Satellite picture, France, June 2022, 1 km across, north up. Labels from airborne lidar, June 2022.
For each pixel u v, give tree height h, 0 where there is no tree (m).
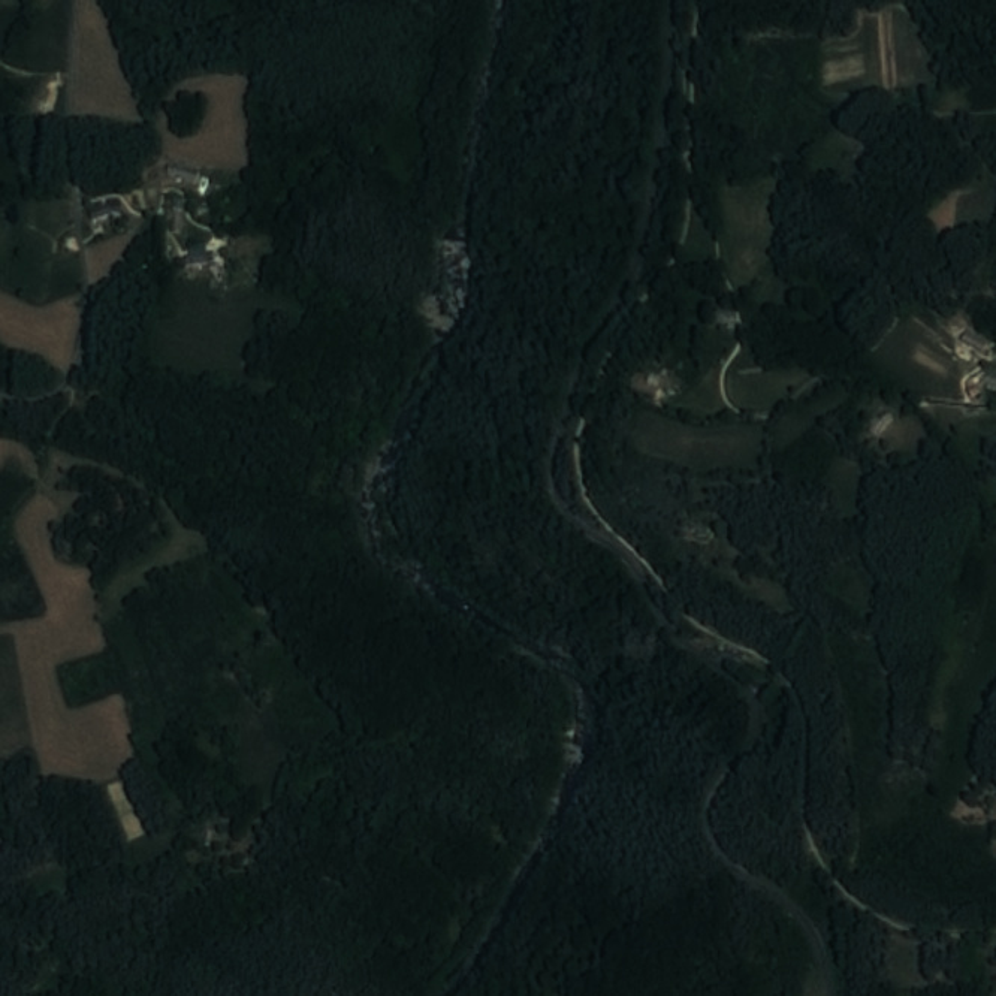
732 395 0
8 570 8
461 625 15
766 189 0
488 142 10
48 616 0
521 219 23
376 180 27
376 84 17
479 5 16
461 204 8
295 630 35
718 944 26
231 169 0
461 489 13
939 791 22
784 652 26
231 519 22
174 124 14
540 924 19
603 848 35
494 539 10
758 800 18
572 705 14
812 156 15
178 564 8
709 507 14
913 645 23
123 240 0
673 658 21
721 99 12
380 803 28
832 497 14
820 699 19
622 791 37
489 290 26
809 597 19
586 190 12
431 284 16
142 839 0
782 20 19
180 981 26
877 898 18
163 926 15
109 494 14
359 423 11
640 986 24
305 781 16
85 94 0
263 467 22
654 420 0
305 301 15
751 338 22
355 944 17
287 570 24
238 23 25
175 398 21
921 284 21
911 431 0
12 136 21
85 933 21
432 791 23
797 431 0
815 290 8
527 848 13
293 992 28
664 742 40
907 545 19
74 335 0
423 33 20
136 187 15
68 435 10
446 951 16
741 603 19
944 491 27
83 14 0
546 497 15
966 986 13
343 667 26
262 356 21
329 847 20
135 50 24
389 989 25
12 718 0
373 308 29
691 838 28
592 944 7
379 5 27
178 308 0
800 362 18
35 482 6
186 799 9
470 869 26
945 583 23
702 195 18
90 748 0
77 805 19
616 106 13
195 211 8
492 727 20
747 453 0
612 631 12
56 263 0
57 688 0
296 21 21
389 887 17
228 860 12
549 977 13
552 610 10
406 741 6
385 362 21
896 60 0
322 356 26
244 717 0
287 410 13
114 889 19
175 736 11
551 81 10
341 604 27
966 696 0
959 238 31
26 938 21
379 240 21
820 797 19
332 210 26
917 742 18
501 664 20
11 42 12
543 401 21
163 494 12
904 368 0
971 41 20
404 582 12
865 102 31
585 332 8
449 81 19
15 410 17
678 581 12
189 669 0
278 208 7
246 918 26
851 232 20
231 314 0
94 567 16
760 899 19
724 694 21
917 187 22
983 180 13
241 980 24
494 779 23
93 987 19
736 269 0
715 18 23
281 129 6
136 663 0
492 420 22
